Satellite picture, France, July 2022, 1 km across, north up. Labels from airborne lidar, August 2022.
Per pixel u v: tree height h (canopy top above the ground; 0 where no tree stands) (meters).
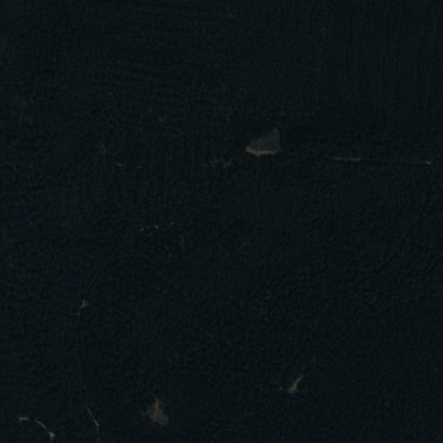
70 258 22
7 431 20
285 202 23
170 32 30
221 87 33
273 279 24
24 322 10
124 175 17
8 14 14
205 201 33
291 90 29
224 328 20
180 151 30
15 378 16
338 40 14
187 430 26
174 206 31
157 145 9
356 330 17
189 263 26
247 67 30
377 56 15
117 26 14
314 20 31
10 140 25
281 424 21
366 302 28
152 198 36
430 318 18
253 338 30
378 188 29
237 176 27
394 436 29
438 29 22
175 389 21
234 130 23
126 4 19
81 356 23
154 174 13
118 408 18
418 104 16
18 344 14
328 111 25
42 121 11
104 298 22
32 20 21
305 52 26
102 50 15
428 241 28
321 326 27
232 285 27
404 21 23
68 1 26
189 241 25
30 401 25
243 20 31
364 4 15
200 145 34
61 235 27
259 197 19
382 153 22
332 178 26
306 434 21
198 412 21
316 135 12
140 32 14
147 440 24
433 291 23
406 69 17
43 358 25
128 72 10
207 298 29
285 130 12
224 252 21
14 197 38
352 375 17
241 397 29
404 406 19
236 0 30
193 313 33
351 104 17
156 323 24
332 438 17
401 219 26
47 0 17
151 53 17
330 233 26
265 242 27
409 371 18
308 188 20
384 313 19
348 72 21
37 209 33
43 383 25
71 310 24
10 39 25
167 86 32
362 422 27
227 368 26
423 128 15
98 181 12
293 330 25
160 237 16
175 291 28
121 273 23
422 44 22
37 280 37
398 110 18
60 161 23
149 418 17
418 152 23
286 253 22
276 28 31
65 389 17
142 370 21
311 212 24
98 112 29
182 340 30
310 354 23
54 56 27
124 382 20
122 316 26
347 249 23
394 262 25
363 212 24
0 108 31
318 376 23
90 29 22
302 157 21
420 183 26
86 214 23
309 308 26
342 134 14
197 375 20
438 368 22
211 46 20
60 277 19
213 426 22
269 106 20
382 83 16
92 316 24
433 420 24
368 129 11
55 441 15
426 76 16
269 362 26
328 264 29
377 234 27
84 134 19
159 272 23
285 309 26
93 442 23
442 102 24
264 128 16
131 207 29
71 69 18
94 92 13
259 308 29
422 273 26
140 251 21
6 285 24
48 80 25
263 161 26
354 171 25
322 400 20
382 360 16
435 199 24
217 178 27
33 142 16
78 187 9
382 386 28
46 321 21
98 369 22
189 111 15
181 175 21
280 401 23
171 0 24
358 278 28
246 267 27
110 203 25
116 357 20
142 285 22
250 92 16
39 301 36
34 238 38
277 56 25
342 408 27
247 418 26
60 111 20
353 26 21
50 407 24
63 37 19
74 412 21
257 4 28
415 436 11
